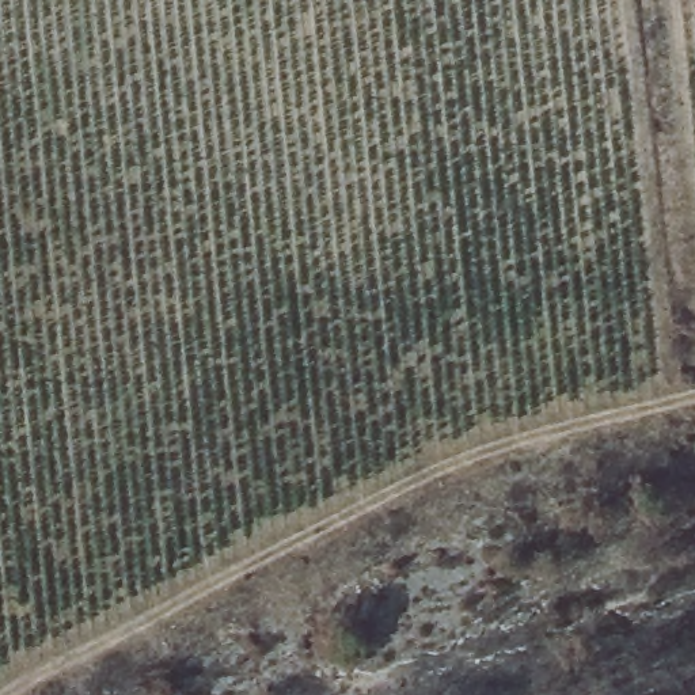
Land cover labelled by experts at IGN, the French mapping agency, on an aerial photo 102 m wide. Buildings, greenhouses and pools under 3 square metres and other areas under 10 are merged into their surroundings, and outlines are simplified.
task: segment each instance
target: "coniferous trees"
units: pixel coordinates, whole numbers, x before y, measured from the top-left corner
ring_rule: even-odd
[[[635,519],[643,519],[649,527],[671,524],[671,516],[662,513],[662,502],[652,500],[643,491],[643,481],[638,475],[630,478],[630,500]]]
[[[301,646],[296,649],[304,657],[301,673],[315,676],[318,660],[339,662],[342,668],[361,668],[369,660],[364,643],[358,643],[350,633],[342,630],[342,619],[328,619],[320,622],[320,638],[312,641],[304,633]]]

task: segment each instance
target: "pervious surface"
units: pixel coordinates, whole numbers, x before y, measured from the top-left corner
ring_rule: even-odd
[[[60,673],[73,671],[79,665],[95,662],[106,652],[176,616],[187,605],[206,600],[220,589],[228,589],[244,573],[261,570],[288,554],[299,554],[312,543],[323,546],[337,529],[356,524],[369,513],[394,508],[402,497],[429,486],[443,475],[462,472],[464,467],[483,459],[494,459],[500,464],[502,459],[513,459],[521,448],[546,451],[551,459],[567,459],[576,440],[584,434],[592,434],[597,429],[614,432],[630,421],[676,413],[681,407],[695,405],[695,386],[679,391],[673,383],[665,380],[665,375],[654,375],[633,391],[586,394],[581,388],[576,399],[559,396],[548,405],[527,407],[527,415],[521,418],[494,421],[491,415],[483,415],[483,421],[464,432],[459,440],[421,443],[418,456],[391,462],[383,472],[369,475],[367,481],[356,483],[348,478],[337,478],[331,483],[334,494],[328,500],[318,500],[318,505],[299,508],[285,516],[261,519],[252,524],[250,538],[242,529],[236,529],[231,535],[231,543],[214,551],[212,557],[204,557],[201,565],[176,573],[174,578],[160,581],[152,589],[144,589],[130,600],[111,605],[109,611],[98,611],[95,619],[87,619],[84,624],[71,627],[57,638],[46,638],[33,649],[11,652],[8,662],[0,665],[0,695],[30,695],[43,681],[57,679]]]

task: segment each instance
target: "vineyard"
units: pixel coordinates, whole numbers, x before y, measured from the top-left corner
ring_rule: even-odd
[[[57,638],[71,627],[84,624],[87,619],[95,619],[98,611],[109,611],[111,605],[130,600],[144,589],[152,589],[160,581],[174,578],[176,573],[201,565],[204,557],[212,557],[214,551],[231,543],[231,535],[236,529],[242,529],[250,538],[252,524],[261,519],[285,516],[299,508],[318,505],[318,500],[328,500],[334,494],[331,483],[337,478],[348,478],[356,483],[367,481],[369,475],[383,472],[391,462],[418,456],[421,443],[459,440],[464,432],[483,421],[483,415],[491,415],[494,421],[521,418],[527,415],[527,407],[548,405],[559,396],[576,399],[581,388],[586,394],[633,391],[654,375],[665,375],[665,380],[673,383],[679,391],[695,386],[695,0],[0,0],[0,665],[8,662],[11,652],[33,649],[46,638]]]

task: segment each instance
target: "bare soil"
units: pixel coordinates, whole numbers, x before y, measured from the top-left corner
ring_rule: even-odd
[[[643,481],[643,491],[652,500],[662,502],[662,513],[671,516],[671,524],[649,527],[643,519],[635,519],[630,500],[630,478],[638,475]],[[342,668],[339,662],[318,660],[315,676],[301,673],[304,657],[296,649],[301,646],[304,633],[312,641],[320,638],[320,622],[328,619],[342,619],[342,630],[350,633],[358,643],[364,643],[369,660],[361,668]],[[521,448],[513,459],[502,459],[500,464],[494,459],[483,459],[464,467],[462,472],[443,475],[429,486],[402,497],[394,508],[369,513],[356,524],[337,529],[323,546],[312,543],[299,554],[288,554],[261,570],[244,573],[228,589],[220,589],[206,600],[187,605],[176,616],[106,652],[95,662],[79,665],[73,671],[60,673],[57,679],[43,681],[30,695],[695,695],[695,405],[681,407],[676,413],[630,421],[614,432],[597,429],[592,434],[584,434],[576,440],[567,459],[551,459],[546,451]]]

